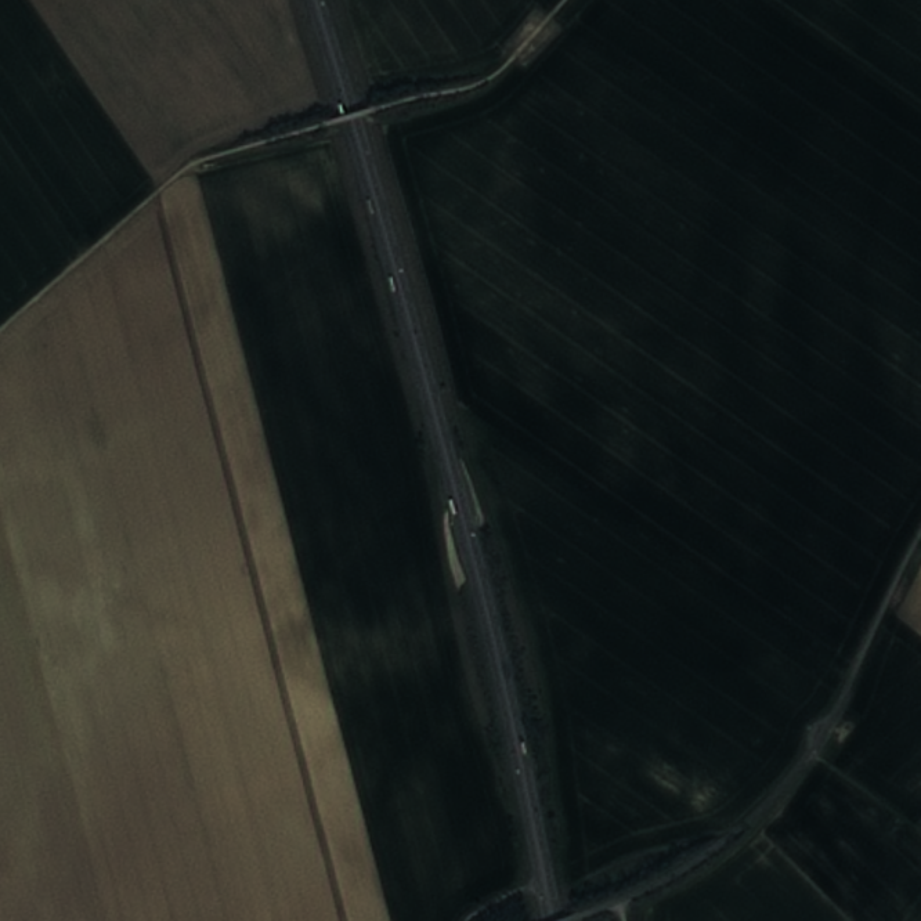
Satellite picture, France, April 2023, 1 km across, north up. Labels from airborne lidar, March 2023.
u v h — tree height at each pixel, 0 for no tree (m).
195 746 0
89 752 0
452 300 0
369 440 0
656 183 0
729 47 0
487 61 0
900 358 0
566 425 0
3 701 0
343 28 0
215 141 0
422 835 0
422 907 0
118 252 0
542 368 0
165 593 0
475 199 0
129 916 0
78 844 0
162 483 0
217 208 0
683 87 0
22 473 0
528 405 0
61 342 0
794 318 0
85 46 0
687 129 0
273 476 0
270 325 0
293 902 0
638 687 0
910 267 0
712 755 0
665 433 0
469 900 0
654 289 0
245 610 0
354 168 0
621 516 0
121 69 0
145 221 0
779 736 0
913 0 0
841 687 0
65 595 0
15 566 0
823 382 0
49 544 0
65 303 0
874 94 0
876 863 0
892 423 0
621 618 0
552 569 0
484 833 0
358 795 0
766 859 0
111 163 0
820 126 0
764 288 0
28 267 0
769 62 0
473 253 0
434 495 0
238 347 0
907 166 0
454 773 0
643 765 0
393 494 0
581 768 0
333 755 0
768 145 0
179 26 0
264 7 0
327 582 0
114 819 0
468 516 0
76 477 0
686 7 0
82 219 0
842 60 0
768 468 0
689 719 0
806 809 0
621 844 0
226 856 0
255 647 0
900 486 0
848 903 0
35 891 0
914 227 0
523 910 13
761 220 0
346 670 0
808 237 0
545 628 0
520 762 0
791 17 0
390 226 0
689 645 0
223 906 0
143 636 0
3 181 0
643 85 0
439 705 0
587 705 0
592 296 0
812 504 0
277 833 0
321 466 0
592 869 0
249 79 0
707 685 0
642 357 0
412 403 0
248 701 0
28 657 0
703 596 0
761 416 0
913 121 0
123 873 0
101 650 0
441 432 0
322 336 0
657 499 0
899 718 0
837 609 0
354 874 0
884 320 0
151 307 0
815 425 0
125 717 0
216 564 0
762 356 0
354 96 0
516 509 0
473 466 0
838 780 0
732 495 0
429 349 0
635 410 0
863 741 0
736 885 0
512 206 0
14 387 0
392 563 0
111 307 0
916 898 0
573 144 0
